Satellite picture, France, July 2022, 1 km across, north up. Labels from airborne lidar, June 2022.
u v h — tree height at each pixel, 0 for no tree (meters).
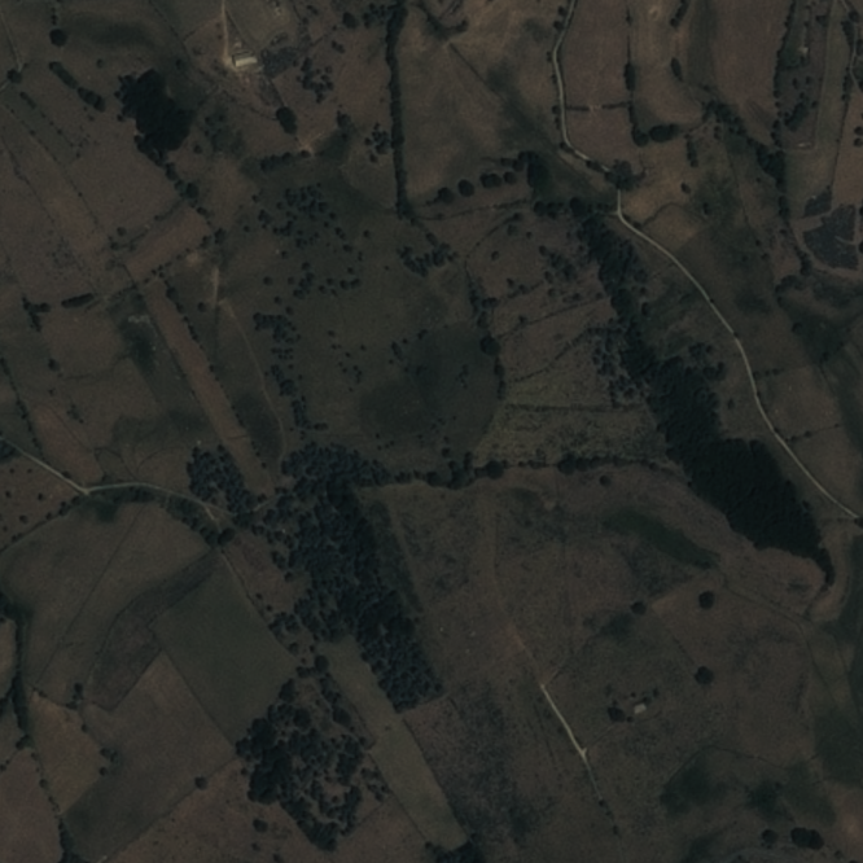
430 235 10
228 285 0
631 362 15
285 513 13
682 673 0
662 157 0
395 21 12
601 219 10
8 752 0
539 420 0
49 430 0
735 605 0
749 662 0
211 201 0
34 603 0
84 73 0
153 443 0
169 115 24
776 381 0
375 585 12
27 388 0
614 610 0
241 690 0
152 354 0
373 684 0
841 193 0
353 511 16
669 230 0
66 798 0
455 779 0
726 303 0
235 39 0
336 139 0
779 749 0
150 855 0
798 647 0
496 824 0
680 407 20
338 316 0
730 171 0
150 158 8
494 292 0
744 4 0
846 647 0
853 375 0
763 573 0
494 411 0
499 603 0
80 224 0
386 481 15
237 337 0
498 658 0
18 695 13
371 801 0
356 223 0
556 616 0
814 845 18
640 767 0
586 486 0
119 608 0
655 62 0
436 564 0
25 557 0
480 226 0
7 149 0
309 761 12
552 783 0
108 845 0
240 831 0
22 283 0
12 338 0
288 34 0
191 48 0
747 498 19
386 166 0
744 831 0
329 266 0
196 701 0
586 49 0
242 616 0
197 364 0
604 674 0
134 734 0
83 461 0
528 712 0
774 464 18
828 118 0
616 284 7
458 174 0
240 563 0
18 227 0
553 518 0
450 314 0
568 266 7
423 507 0
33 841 0
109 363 0
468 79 0
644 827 0
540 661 0
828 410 0
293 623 8
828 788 0
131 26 0
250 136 0
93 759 0
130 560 0
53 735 0
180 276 0
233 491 16
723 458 18
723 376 14
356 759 8
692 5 0
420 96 0
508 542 0
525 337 0
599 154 0
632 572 0
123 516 0
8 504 0
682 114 0
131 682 0
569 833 0
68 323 0
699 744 0
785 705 0
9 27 0
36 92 0
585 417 0
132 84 20
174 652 0
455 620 0
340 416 0
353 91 0
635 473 0
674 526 0
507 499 0
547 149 0
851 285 0
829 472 0
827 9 0
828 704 0
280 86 0
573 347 0
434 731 0
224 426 0
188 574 0
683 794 0
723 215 0
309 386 0
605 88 0
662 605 0
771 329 0
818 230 0
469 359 0
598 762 0
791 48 0
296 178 0
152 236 0
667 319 0
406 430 0
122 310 0
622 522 0
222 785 0
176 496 0
